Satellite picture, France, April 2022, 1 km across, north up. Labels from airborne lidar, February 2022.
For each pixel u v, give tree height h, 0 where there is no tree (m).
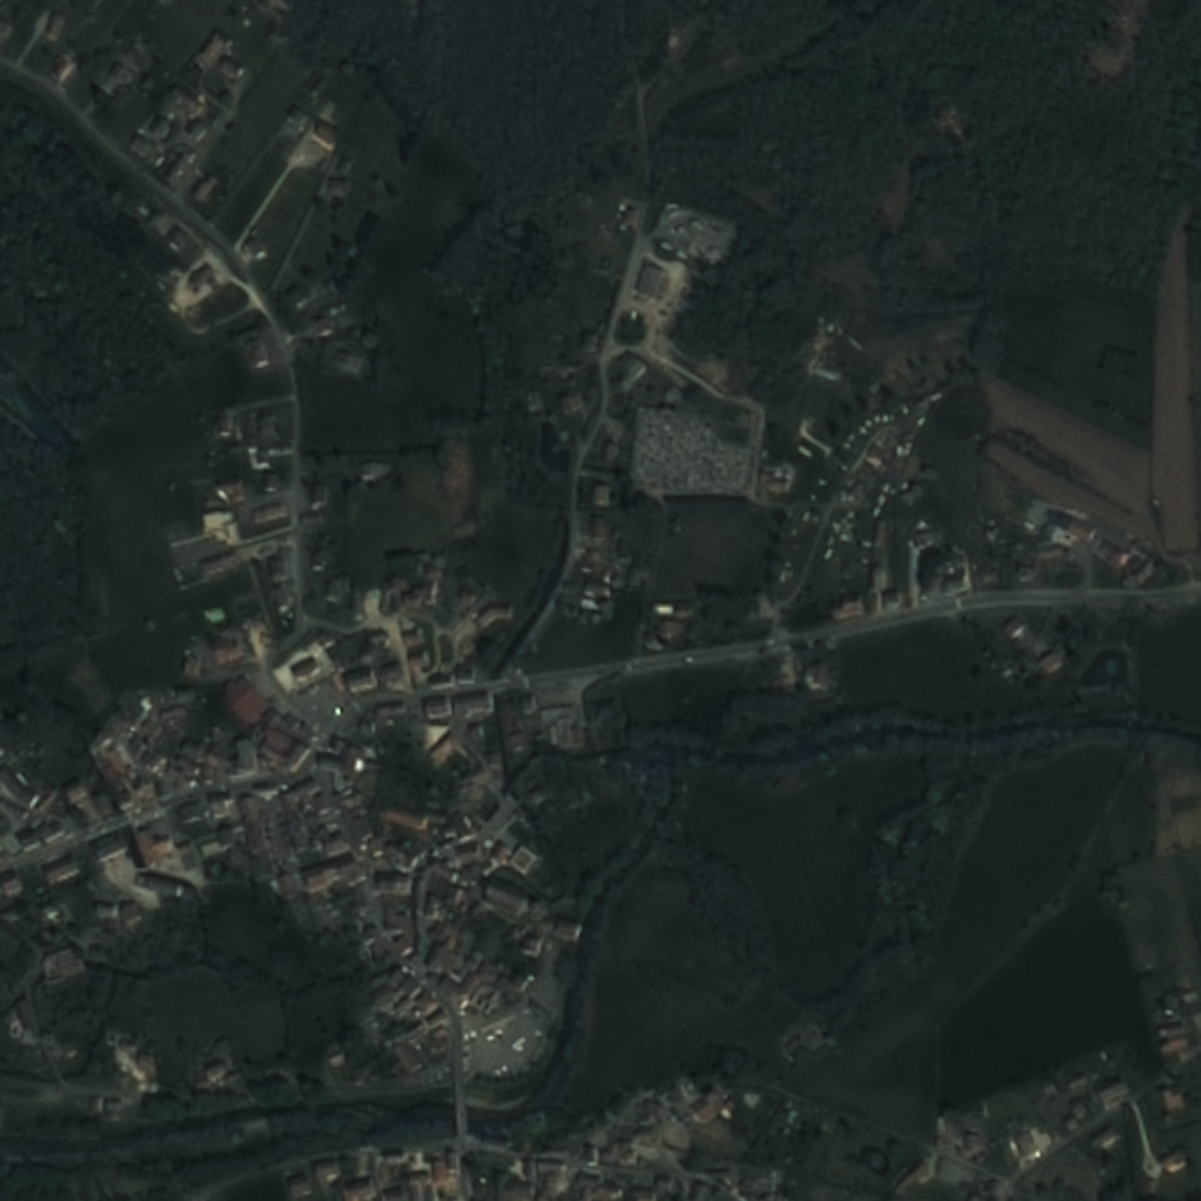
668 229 0
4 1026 0
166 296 0
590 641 0
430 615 0
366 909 0
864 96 20
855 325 0
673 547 0
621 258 0
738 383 0
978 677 16
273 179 0
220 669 0
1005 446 6
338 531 0
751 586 0
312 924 0
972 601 0
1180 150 18
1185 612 0
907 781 0
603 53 21
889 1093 0
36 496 18
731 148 20
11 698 0
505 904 0
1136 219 21
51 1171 13
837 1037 14
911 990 0
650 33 21
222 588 0
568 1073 9
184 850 0
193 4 0
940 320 0
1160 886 0
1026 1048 0
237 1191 0
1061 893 0
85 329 20
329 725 0
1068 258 15
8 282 20
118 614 0
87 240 16
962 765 10
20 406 0
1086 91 22
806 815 0
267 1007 0
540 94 20
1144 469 0
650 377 0
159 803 0
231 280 0
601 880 15
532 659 13
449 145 0
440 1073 0
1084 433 0
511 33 16
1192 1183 0
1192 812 0
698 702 0
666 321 0
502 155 16
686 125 0
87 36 0
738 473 0
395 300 0
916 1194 0
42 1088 0
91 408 23
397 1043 0
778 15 18
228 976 19
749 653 0
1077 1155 0
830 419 0
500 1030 0
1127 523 0
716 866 19
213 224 0
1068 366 0
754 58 20
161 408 0
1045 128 19
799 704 17
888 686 0
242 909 0
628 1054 0
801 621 0
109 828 0
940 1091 0
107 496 0
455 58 16
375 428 0
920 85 15
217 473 0
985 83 25
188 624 0
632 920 0
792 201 8
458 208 0
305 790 0
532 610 8
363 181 0
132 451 0
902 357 0
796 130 21
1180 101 20
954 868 15
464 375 0
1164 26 21
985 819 0
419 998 0
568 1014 0
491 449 0
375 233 24
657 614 0
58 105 0
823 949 0
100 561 0
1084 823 0
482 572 0
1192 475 0
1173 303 0
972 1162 0
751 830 0
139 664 0
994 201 19
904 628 0
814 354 0
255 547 0
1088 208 20
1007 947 0
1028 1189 0
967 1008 0
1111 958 0
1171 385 0
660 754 0
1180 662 0
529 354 0
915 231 7
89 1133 13
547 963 0
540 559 0
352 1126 13
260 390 0
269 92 0
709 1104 0
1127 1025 0
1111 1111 0
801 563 0
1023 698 0
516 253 24
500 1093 0
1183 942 0
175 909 19
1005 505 0
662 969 0
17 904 7
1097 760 0
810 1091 0
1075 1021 0
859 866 0
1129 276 12
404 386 22
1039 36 20
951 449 0
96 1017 7
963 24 19
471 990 0
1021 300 0
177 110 0
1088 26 9
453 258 22
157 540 0
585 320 0
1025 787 0
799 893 0
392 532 0
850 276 0
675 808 15
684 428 0
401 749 9
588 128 22
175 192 0
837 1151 0
